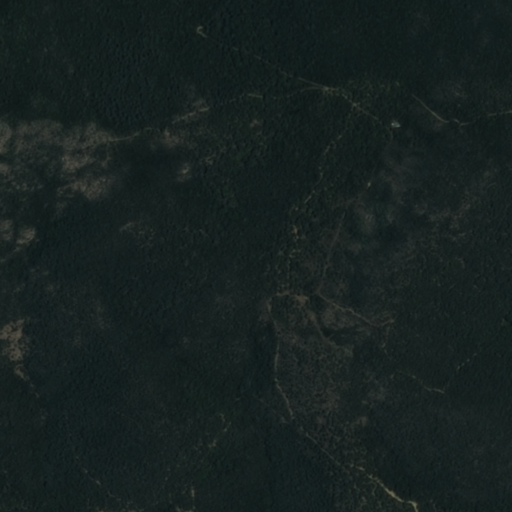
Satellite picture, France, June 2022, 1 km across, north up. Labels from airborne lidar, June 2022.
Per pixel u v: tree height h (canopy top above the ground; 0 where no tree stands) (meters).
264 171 7
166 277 11
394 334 11
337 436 8
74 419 9
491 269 9
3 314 8
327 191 11
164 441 9
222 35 8
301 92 7
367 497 9
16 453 9
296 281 7
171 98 12
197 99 6
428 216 6
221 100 7
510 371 11
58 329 7
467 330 11
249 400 8
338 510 6
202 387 8
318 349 7
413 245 8
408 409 6
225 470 6
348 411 7
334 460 7
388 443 10
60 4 6
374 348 6
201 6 11
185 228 11
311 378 6
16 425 6
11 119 8
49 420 6
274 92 11
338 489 7
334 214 8
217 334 6
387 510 6
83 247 8
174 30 10
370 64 6
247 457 10
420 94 7
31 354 6
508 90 8
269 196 6
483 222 15
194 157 6
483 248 8
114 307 11
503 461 7
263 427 8
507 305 14
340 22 6
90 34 5
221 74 10
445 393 8
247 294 7
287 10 13
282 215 7
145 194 6
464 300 10
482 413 8
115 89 6
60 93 9
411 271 11
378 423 8
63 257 9
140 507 8
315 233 12
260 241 7
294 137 8
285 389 8
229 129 6
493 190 11
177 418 10
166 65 6
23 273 8
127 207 6
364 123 10
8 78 12
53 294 7
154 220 6
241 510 10
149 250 8
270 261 9
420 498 8
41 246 9
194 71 8
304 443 9
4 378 10
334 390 6
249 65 7
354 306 6
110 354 6
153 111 11
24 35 7
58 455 9
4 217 6
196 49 6
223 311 6
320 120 8
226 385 13
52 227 14
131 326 9
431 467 9
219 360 11
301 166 10
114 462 5
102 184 0
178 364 9
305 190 7
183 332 8
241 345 10
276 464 9
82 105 6
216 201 13
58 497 13
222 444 15
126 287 13
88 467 8
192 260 7
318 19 8
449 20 6
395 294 8
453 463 10
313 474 8
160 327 12
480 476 7
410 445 6
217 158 13
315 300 9
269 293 9
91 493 9
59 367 8
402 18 8
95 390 10
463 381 9
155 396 7
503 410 7
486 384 8
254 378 6
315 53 13
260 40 9
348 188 9
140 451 7
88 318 6
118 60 8
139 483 7
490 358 10
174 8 11
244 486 8
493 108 8
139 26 6
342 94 6
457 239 7
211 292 6
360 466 8
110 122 8
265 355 10
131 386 7
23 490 7
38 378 7
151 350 6
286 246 7
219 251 7
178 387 8
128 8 6
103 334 6
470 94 5
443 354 9
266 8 15
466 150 6
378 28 8
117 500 6
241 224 6
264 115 9
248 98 7
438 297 12
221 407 9
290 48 12
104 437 8
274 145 12
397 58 7
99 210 9
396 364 8
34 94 7
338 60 7
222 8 13
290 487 8
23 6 5
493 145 7
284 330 8
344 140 9
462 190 7
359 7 8
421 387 6
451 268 13
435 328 13
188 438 10
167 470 9
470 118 8
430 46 7
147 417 9
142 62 11
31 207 8
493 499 7
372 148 11
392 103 7
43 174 7
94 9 6
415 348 10
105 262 8
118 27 6
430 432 6
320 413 11
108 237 6
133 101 11
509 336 12
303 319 7
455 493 6
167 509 10
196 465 7
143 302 12
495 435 9
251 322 7
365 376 8
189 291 8
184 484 7
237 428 8
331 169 8
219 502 9
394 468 12
